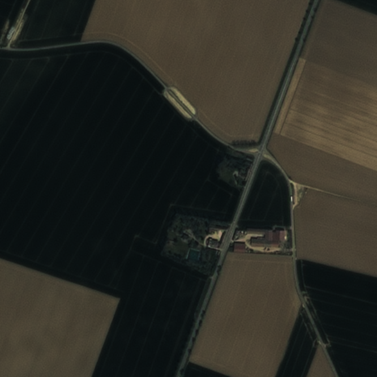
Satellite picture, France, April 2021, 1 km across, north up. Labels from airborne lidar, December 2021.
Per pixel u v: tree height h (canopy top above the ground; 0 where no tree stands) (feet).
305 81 0
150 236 0
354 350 0
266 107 0
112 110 0
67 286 0
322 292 0
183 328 0
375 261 0
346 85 0
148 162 0
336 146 0
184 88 0
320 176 0
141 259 0
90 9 0
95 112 0
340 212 0
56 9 0
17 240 0
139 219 0
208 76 0
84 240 0
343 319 0
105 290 0
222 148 0
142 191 0
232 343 0
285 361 0
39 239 0
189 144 0
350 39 0
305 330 0
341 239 0
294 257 0
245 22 0
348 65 0
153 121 0
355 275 0
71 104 0
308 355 0
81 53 0
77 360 0
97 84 0
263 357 0
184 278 0
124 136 0
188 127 0
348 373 0
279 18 0
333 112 0
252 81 0
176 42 0
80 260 0
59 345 0
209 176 0
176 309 0
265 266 0
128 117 0
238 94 0
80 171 0
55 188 0
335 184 0
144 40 0
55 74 0
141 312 0
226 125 0
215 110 0
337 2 0
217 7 0
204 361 0
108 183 0
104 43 0
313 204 0
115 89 0
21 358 0
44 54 0
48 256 0
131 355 0
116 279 0
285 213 0
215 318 0
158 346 0
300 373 0
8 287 0
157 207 0
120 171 0
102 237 0
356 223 0
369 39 0
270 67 0
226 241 0
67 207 0
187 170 0
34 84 0
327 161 0
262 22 0
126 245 0
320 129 0
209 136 0
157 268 0
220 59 0
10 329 0
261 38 0
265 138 0
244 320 0
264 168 0
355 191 0
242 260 0
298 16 0
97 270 0
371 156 0
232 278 0
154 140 0
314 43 0
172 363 0
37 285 0
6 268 0
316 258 0
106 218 0
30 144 0
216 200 0
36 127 0
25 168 0
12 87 0
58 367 0
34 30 0
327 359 0
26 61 0
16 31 0
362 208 0
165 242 43
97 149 0
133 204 0
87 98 0
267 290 0
